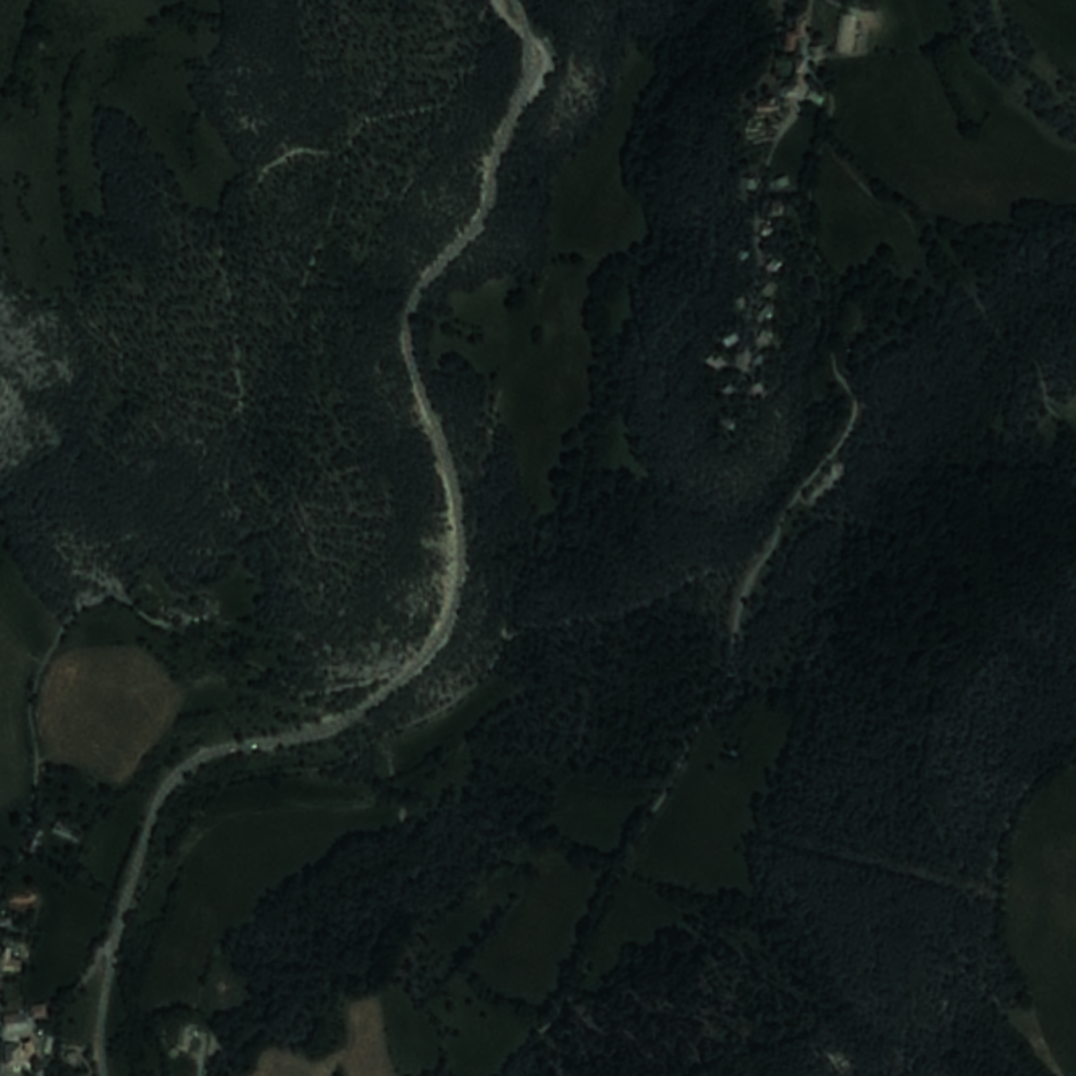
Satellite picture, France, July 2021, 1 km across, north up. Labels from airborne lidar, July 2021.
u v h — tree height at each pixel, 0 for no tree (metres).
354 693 6
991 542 32
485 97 10
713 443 9
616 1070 20
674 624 18
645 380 14
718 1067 24
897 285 13
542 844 29
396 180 9
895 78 0
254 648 12
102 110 13
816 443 15
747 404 13
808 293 16
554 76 9
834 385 10
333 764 7
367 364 7
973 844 10
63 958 0
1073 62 0
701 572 11
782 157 0
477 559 9
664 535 16
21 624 0
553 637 16
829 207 0
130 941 12
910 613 32
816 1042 7
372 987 15
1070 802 0
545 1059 17
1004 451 22
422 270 6
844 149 9
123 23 0
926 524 35
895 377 14
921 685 22
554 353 0
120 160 11
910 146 0
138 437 9
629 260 24
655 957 26
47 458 9
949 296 11
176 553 7
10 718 0
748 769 0
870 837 14
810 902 14
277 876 0
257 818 0
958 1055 18
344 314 12
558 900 0
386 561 6
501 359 0
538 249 12
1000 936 11
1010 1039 12
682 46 24
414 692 9
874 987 11
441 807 9
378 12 12
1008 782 11
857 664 14
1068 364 9
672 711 6
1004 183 0
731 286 12
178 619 8
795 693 25
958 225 6
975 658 14
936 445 17
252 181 9
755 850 15
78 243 11
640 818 15
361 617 6
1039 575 17
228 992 0
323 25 13
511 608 17
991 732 11
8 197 0
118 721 0
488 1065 0
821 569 17
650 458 15
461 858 18
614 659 18
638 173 11
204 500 7
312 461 10
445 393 15
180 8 10
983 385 16
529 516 12
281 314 12
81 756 0
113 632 0
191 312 12
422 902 18
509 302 13
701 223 10
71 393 5
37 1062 13
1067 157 0
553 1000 11
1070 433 12
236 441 7
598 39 10
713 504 7
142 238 10
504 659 15
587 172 0
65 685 0
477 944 20
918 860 15
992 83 0
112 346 8
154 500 8
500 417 7
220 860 0
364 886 6
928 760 13
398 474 9
